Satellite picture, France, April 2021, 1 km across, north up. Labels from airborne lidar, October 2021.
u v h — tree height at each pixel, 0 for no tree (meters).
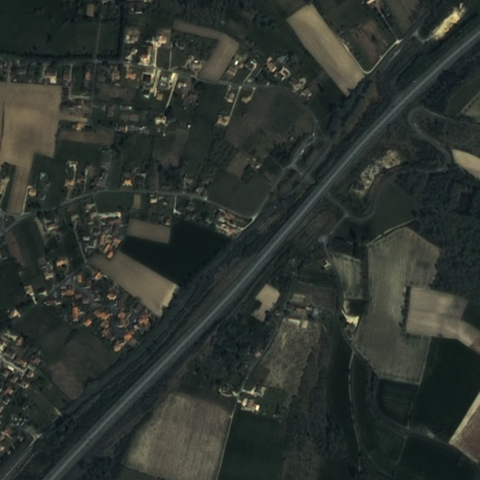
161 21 0
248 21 0
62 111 11
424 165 7
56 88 0
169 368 0
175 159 0
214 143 7
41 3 0
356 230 0
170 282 0
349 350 0
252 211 0
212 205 0
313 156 15
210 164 6
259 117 0
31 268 0
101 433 0
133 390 0
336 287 6
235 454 0
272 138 0
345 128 19
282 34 0
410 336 0
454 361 0
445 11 17
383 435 0
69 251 0
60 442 16
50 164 0
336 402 0
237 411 0
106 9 18
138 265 0
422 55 10
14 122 0
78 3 11
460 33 10
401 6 0
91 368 0
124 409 0
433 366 0
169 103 0
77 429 9
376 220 0
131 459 0
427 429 0
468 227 27
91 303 0
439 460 0
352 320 0
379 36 0
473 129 7
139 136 0
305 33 0
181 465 0
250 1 20
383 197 0
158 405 0
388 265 0
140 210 0
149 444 0
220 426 0
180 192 12
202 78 0
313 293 0
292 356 0
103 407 8
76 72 7
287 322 0
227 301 0
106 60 9
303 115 0
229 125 0
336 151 13
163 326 0
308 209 0
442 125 5
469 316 0
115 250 5
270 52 0
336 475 0
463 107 0
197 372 10
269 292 0
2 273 0
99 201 0
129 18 12
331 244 9
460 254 14
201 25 12
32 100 0
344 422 0
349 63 0
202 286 11
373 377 8
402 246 0
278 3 0
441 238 22
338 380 0
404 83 7
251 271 0
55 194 0
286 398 0
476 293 18
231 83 0
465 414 0
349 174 7
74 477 0
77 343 0
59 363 0
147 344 0
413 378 0
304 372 6
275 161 15
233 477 0
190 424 0
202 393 0
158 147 0
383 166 0
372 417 0
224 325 6
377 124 0
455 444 0
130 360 0
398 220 0
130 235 0
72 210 0
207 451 0
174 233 0
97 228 0
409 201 0
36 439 0
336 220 0
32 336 0
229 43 0
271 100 0
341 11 0
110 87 0
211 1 10
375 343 0
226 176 0
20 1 0
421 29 0
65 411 6
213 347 7
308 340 0
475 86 0
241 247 7
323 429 19
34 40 0
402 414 0
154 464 0
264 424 0
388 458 0
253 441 0
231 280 0
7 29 0
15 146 0
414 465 0
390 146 0
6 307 0
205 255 0
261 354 0
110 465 9
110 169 0
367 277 11
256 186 0
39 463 11
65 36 0
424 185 20
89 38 0
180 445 0
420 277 0
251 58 0
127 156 0
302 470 0
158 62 0
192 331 0
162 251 0
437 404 0
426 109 9
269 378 0
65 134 0
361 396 0
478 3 0
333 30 0
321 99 0
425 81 0
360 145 0
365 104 21
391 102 0
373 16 0
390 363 0
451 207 23
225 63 0
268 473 0
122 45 11
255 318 0
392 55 0
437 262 0
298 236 0
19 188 0
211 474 0
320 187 0
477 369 0
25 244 0
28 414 0
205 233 0
